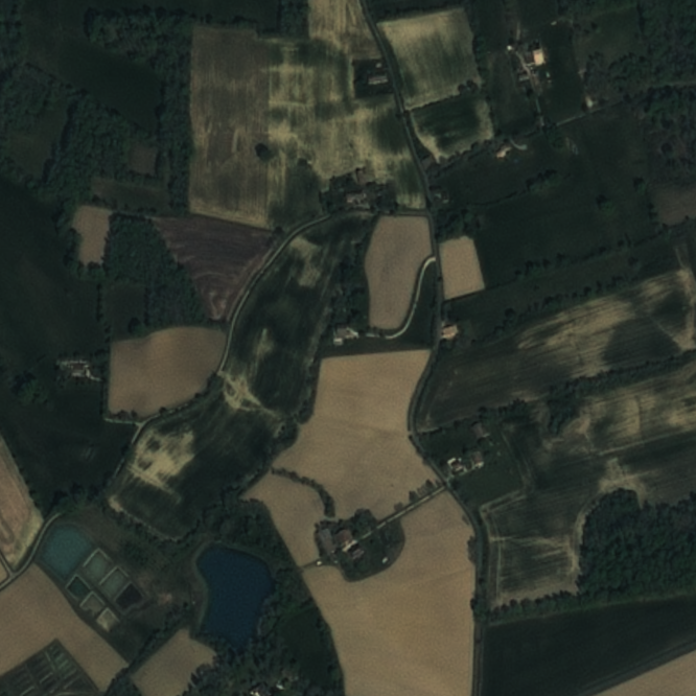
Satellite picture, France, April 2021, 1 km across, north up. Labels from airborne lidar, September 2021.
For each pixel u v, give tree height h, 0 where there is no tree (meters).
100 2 0
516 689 0
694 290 0
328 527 15
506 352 0
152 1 0
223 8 0
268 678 12
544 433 0
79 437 0
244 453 0
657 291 0
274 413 0
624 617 0
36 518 0
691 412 0
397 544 10
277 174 0
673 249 0
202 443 0
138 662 7
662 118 21
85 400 0
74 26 0
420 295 0
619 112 0
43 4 0
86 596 0
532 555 0
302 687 17
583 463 0
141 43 21
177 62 17
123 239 20
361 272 15
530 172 0
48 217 0
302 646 0
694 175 21
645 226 0
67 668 0
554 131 18
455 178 0
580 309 0
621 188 0
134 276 19
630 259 0
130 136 21
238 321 0
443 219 10
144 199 0
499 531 0
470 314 0
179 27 25
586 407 0
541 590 0
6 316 0
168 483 0
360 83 7
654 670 0
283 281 0
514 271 0
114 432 0
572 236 0
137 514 0
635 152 0
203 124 0
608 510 13
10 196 0
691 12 21
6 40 16
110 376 13
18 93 26
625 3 20
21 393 16
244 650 12
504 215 0
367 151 0
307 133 0
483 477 0
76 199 22
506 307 0
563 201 0
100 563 0
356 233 0
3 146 23
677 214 0
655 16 21
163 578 0
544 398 0
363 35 0
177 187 12
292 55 0
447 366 0
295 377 0
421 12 12
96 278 15
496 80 0
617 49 0
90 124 24
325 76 0
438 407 0
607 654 0
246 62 0
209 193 0
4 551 0
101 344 0
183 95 17
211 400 0
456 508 0
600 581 16
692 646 0
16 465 9
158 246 15
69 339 0
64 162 21
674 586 23
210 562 0
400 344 0
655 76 11
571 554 0
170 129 20
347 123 0
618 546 16
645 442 0
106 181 18
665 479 0
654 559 16
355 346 0
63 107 0
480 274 0
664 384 0
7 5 11
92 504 13
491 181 0
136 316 0
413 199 0
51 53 0
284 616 12
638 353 0
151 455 0
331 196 0
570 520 0
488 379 0
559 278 0
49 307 0
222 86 0
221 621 0
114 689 12
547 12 0
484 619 17
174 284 19
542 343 0
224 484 0
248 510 15
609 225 0
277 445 16
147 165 0
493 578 0
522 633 0
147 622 0
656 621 0
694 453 0
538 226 0
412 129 7
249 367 0
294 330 0
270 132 0
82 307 0
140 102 0
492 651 0
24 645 0
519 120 0
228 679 17
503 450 0
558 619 0
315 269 0
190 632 0
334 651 8
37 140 0
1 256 0
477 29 8
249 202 0
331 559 6
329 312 0
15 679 0
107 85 0
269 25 0
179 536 0
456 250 0
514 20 11
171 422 0
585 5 18
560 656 0
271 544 11
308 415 13
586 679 0
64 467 0
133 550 9
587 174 0
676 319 0
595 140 0
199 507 0
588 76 12
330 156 0
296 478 12
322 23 0
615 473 0
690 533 15
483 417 13
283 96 0
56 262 0
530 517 0
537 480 0
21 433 0
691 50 20
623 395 0
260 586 0
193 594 0
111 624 0
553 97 0
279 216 0
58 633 0
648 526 22
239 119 0
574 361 0
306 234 0
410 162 0
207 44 0
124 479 0
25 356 0
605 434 0
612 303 0
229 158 0
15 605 0
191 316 15
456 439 0
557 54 0
